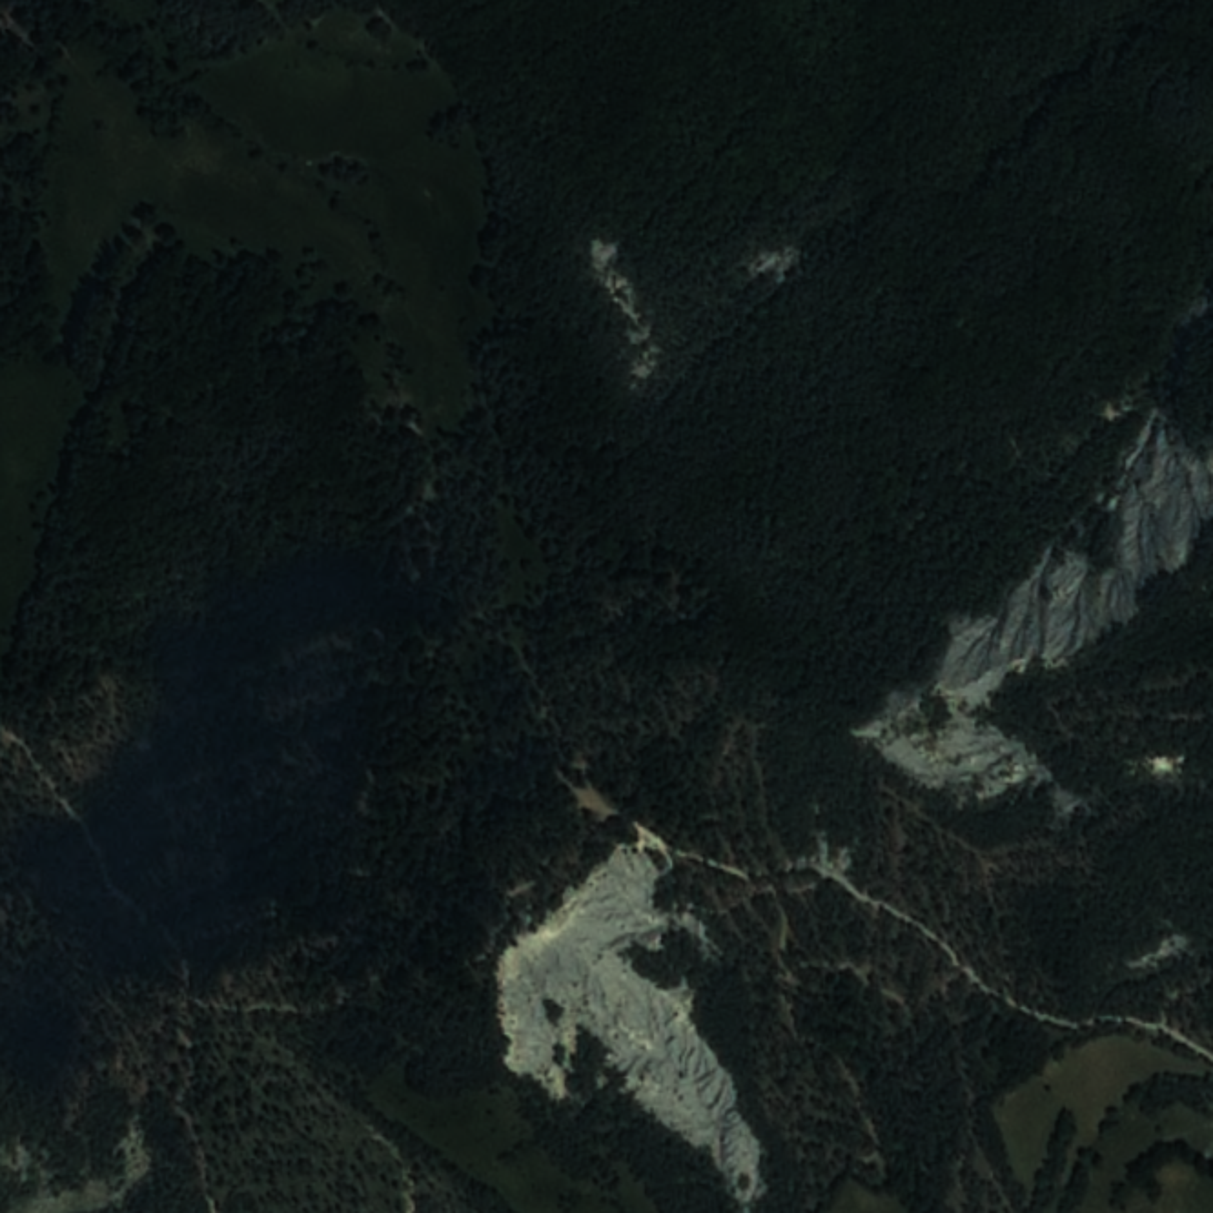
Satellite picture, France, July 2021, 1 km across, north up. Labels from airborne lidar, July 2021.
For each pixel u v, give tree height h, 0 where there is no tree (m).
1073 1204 11
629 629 22
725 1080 0
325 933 16
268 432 14
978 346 16
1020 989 14
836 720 7
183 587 14
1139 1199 0
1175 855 8
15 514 0
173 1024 14
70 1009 12
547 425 26
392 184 0
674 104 16
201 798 14
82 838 8
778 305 15
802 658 11
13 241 27
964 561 13
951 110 25
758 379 17
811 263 12
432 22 13
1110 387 6
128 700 10
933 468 16
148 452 19
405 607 18
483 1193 12
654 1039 0
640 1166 11
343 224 0
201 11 15
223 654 22
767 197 16
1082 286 23
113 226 0
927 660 10
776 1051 12
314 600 12
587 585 19
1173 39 19
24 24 22
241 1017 12
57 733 11
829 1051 17
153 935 17
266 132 0
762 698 7
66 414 0
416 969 19
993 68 18
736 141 15
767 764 10
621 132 22
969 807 6
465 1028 10
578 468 22
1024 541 13
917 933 11
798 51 15
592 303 9
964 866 12
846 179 15
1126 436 14
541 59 14
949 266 20
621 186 12
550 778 18
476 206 0
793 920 12
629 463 22
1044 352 18
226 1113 15
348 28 0
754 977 14
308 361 20
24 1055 9
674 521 18
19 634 12
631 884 0
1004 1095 9
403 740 21
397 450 18
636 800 16
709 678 15
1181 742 9
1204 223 13
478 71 16
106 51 6
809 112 14
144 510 16
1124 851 10
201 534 10
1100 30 16
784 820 6
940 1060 17
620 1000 0
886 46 16
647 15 18
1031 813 7
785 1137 9
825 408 15
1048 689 9
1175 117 15
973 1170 8
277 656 16
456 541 23
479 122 17
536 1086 10
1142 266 18
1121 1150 0
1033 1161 0
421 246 0
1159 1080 12
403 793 14
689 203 11
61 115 10
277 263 13
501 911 13
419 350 0
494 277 18
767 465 19
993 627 0
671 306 8
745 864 12
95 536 20
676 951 6
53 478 0
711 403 17
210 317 24
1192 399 15
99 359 28
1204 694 10
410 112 0
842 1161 11
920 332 11
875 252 16
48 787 6
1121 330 15
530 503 16
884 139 24
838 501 18
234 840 15
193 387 17
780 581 7
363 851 21
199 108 21
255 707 23
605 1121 8
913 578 14
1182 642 8
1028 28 22
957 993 12
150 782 10
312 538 18
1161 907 7
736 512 15
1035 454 8
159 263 22
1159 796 11
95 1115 9
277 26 14
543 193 12
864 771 6
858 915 8
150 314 23
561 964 0
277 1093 10
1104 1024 8
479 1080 12
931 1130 14
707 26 21
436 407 0
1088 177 17
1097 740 15
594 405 13
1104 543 12
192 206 0
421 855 9
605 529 16
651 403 8
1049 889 16
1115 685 12
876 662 16
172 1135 8
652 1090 0
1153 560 0
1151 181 25
